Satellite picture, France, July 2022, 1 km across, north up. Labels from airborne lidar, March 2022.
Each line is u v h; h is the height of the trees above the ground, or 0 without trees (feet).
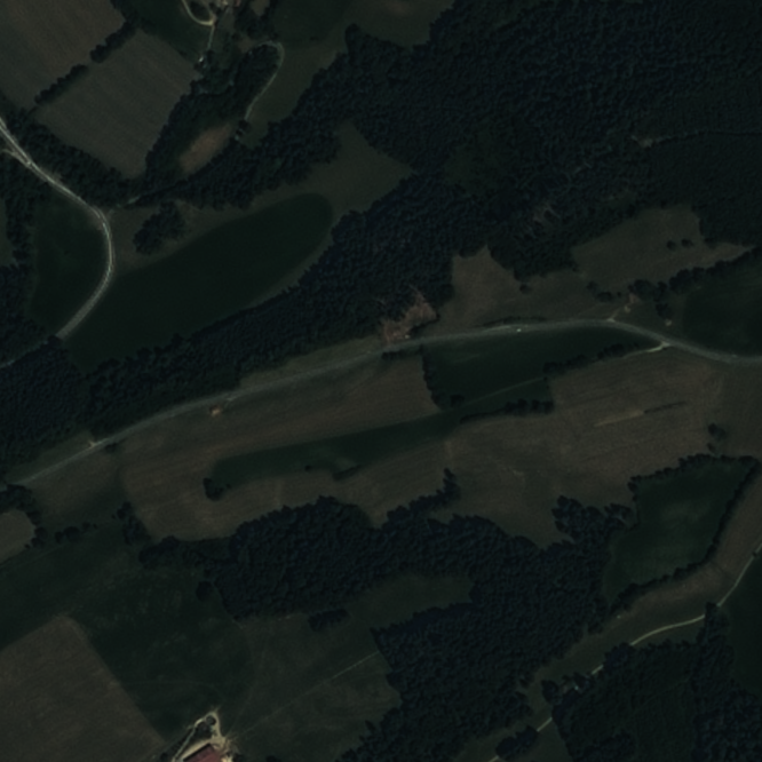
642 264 0
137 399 36
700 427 0
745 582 0
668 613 0
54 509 0
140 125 0
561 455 0
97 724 0
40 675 0
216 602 0
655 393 0
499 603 96
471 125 68
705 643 41
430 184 87
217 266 0
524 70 50
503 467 0
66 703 0
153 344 0
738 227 53
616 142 70
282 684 0
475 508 0
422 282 91
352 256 79
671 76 80
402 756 81
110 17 0
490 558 105
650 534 0
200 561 49
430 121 57
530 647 100
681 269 0
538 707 0
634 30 71
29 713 0
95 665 0
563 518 83
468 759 0
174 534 0
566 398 0
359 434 0
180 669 0
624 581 0
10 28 0
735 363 0
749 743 105
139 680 0
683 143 46
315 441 0
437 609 0
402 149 77
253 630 0
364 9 0
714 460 34
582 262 0
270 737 0
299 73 0
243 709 0
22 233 65
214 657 0
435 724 65
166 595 0
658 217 0
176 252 0
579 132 82
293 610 78
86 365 0
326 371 0
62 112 0
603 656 0
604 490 0
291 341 64
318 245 0
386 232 115
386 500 0
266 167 88
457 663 110
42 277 0
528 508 0
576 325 0
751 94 43
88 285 0
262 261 0
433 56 79
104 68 0
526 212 72
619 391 0
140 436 0
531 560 99
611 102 72
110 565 0
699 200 42
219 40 0
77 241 0
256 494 0
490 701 89
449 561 109
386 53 100
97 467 0
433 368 48
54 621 0
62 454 0
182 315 0
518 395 0
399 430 0
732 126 53
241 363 69
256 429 0
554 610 95
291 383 0
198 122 88
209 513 0
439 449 0
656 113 32
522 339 0
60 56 0
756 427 0
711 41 45
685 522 0
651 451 0
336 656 0
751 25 45
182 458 0
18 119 83
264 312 57
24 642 0
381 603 0
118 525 0
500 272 0
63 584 0
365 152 0
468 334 0
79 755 0
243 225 0
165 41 0
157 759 0
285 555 66
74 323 0
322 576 79
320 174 0
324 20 0
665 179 36
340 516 90
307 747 0
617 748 59
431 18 0
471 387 0
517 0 93
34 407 75
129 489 0
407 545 94
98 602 0
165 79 0
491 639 110
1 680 0
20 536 0
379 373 0
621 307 0
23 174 58
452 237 96
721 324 0
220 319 0
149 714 0
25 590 0
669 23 61
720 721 100
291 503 0
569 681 56
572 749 43
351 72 96
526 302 0
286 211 0
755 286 0
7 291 84
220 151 0
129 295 0
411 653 108
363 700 0
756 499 0
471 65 70
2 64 0
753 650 0
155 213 0
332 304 95
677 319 0
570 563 89
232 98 56
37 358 72
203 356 68
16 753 0
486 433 0
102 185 65
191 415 0
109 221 0
